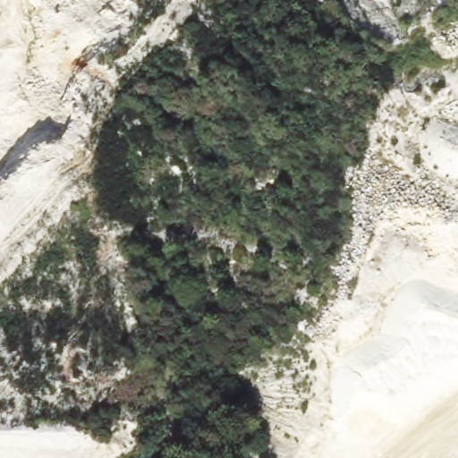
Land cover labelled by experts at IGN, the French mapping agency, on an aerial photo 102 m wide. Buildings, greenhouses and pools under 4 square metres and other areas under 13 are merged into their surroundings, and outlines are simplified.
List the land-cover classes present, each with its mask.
<instances>
[{"label":"pervious surface","instance_id":"1","mask_svg":"<svg viewBox=\"0 0 458 458\"><path fill-rule=\"evenodd\" d=\"M213 11L206 0H0V283L5 279L11 277L20 265L21 256L34 252L36 243L41 242L43 236L48 233V227L59 224L64 211L70 208L72 200H79L82 197L86 200L95 199V190L93 186H89L93 182V154L98 147L100 127L109 118V111L113 106L114 88L118 86V79L123 75L129 77L138 72V61H141L148 52H152L156 45H163L168 39L177 38V25L190 14L197 16L206 27H209L213 20L206 16ZM444 4V0H345L352 18L376 23L383 32L392 36V43L377 41V45L383 50L394 52L397 45L411 43L413 30L424 29L431 47L444 59L442 68L422 66L419 73L411 77L410 81L403 70L395 73L394 86L377 107L376 122L367 123L369 148L365 152L363 163L349 166L345 170L343 186L354 191L352 238L351 242L343 243L342 250L336 254L338 265L331 268L333 272L338 276V290L329 292L327 306L320 322L315 326L311 324L301 320L297 327L301 333L310 336V343L306 347L310 356L306 360L295 358L292 367L284 370L281 379H276V365H267L259 369L258 379L254 385L261 394L263 417L268 420L270 429V449L263 454L254 453L252 458H458V21L451 23V29L433 27V13L438 9V5ZM11 413L0 411V458H123L122 454L131 453L136 440L132 433L120 429L113 433L111 435V442L102 444L93 440L91 435H86L75 428L61 424H41L36 429L25 426L13 428Z\"/></svg>","mask_w":458,"mask_h":458},{"label":"brushwood","instance_id":"2","mask_svg":"<svg viewBox=\"0 0 458 458\"><path fill-rule=\"evenodd\" d=\"M213 11L206 16L213 20L209 27H206L197 16L190 14L177 25V38L168 39L163 45H156L152 52H148L141 61H138V72L129 77L123 75L118 79V86L114 88L113 106L109 111V118L100 127L98 147L93 154V182L89 186H93L95 190V199L97 215L100 218L107 222L118 220L122 225H131L132 233L129 234L132 242L152 252L154 258L163 252V245H179L195 240L197 236L200 229H216L218 225H231L238 227L243 233L256 236L258 247L254 243L247 247L236 243L234 259L250 258L252 268L240 272V277L234 283L231 292L220 288L218 293H211L209 290L202 301L208 313V317L202 322L204 327H208L206 351L211 358H216V365L222 370V374H240L254 385L258 379L259 369L267 365L261 354L272 351L277 343L290 342L297 327L301 320L311 324L315 317L313 306L318 302L317 297L313 295L333 272L331 268L338 265L336 254L342 250L343 243L351 242L352 238L354 191L343 186L345 170L349 166L363 163L365 152L369 148L367 123L376 122L377 107L394 86L395 73L403 70L410 81L411 77L419 73L422 66L442 68L444 59L431 47L424 29L413 30L411 43L397 45L394 52L383 50L377 45V41L392 43V36L383 32L376 23L352 18L345 0H206ZM138 426L132 433L136 440H147L148 444L156 447L168 435V429L174 426V419L166 411L165 399L157 397L156 401H152L136 419ZM122 408L120 403H107L106 399L95 401L86 411L79 408L59 410L55 411V417L61 420V424L75 428L79 424L84 426L89 422L98 424L100 431H107L111 435L113 433L111 426L116 420H120Z\"/></svg>","mask_w":458,"mask_h":458},{"label":"herbaceous vegetation","instance_id":"3","mask_svg":"<svg viewBox=\"0 0 458 458\"><path fill-rule=\"evenodd\" d=\"M433 27L451 29V23L458 21V0H444V4L438 5V9L433 13ZM106 225L114 229L122 225L118 220L107 222L100 218L97 215L95 199L86 200L82 197L79 200H72L70 208L64 211L59 224L48 227V233L43 236L41 242L36 243L34 252L21 256L20 265L11 277L5 279L11 290L9 295L13 299V308L0 311V329L4 331V345L7 351H16L20 354V361L14 363V370L20 376L18 385L14 388H18L20 394L38 392L39 388L47 390L48 386L52 385L47 381V374L63 370L55 356L63 352L66 338L72 329L81 331L79 343L81 347L91 351L88 370L93 374H114L118 370L114 367V361L122 360L118 356L120 349L127 347L129 351L136 352V340H141L145 345H152L172 342L175 336L181 335L179 329H175L174 326L165 327L157 320L145 322L138 317L134 320L131 302H134V299L123 286L127 261L113 268L109 267L98 258V236L91 234L95 229H102ZM64 261L79 263L82 286L79 290V299H72L70 288L61 283V274L66 268ZM21 297H27L29 301L61 299V306L50 311L23 310ZM222 238L234 240L236 243L247 247L254 243L258 247L256 236L243 233L238 227L231 225H218L216 229ZM338 290V276L333 272L313 295L317 297L318 302L313 306L315 317L311 324L315 326L320 322L327 306L329 292ZM310 343V336L301 333L297 327L290 342L277 343L272 351L261 354L267 365H276V379H281L284 370L292 367L295 358L306 360L310 356L306 347ZM156 361L152 358H141L131 370H127V376L114 381L113 386H107L106 399L107 403H120L122 408H129L132 417L136 419L152 401H156L157 397L165 399L166 392L168 381L175 383L177 377L172 361H166L163 374L152 376V367ZM59 410L55 404L48 401L38 408H32V403H27L25 426L36 429L41 424H61V420L55 417V411ZM86 435H91L93 440L102 444L111 442V435L107 431H100L98 424L89 422L84 426L79 424L75 428Z\"/></svg>","mask_w":458,"mask_h":458},{"label":"deciduous trees","instance_id":"4","mask_svg":"<svg viewBox=\"0 0 458 458\"><path fill-rule=\"evenodd\" d=\"M118 250L127 261L123 286L134 299V302H131L134 320L138 317L145 322L157 320L165 327L174 326L175 329H179L181 335L175 336L172 342L152 345H145L141 340H136V352L129 351L127 347L120 349L118 356L122 360L125 361L127 370H131L141 358H152L156 361L152 367V376L163 374L166 361H172L177 377L191 376L200 369L208 370L213 377L222 374V370L216 365V358H211L206 351L208 327H204L202 322L208 317V313L202 301L209 290L211 286H218L220 279L231 276L229 259L225 258L222 247L213 245L208 238L197 236L195 240L179 245H163V252L154 258L152 252L132 242L129 234H122L116 238ZM209 386L204 383H197L190 390H184L179 394L166 392L165 399L166 411L174 419L181 415L182 411H193L197 415L209 404L216 403L220 397L215 394L206 397ZM270 449V429L267 433L256 435L252 444L242 447V454L247 458H252L254 453L263 454ZM156 451V447L148 444L147 440H136L131 453L122 454L123 458H147Z\"/></svg>","mask_w":458,"mask_h":458},{"label":"bare soil","instance_id":"5","mask_svg":"<svg viewBox=\"0 0 458 458\"><path fill-rule=\"evenodd\" d=\"M132 233L131 225H122L114 229L106 225L102 229H95L91 234L98 236V258L109 267L113 268L127 261L118 250L116 238L122 234H129ZM197 236L208 238L213 245L222 247L225 258L229 259L231 276L220 279L218 286H211L209 290L211 293H218L220 288L231 292L234 283L240 277V272L252 268L250 258L234 259L236 243L234 240L222 238L216 229H200ZM66 268L61 274V283L70 288L72 299H79V290L82 286L79 263L64 261ZM11 290L5 279L0 283V311L13 308V299L9 295ZM23 310L50 311L61 306V299L29 301L27 297H21ZM81 331L72 329L66 338L63 352L55 356L63 370L47 374V381L52 385L48 386L47 390L39 388L38 392L20 394L18 388H14L18 385L20 376L14 370V363L20 361V354L16 351H7L4 345V331L0 329V411L11 413L13 428L25 426L27 403H32V408H38L48 401L55 404L59 410L79 408L86 411L95 401L106 399L107 386H113L114 381L127 376V370L125 361L122 360L114 361V367L118 370L114 374H93L88 370L91 351L81 347L79 343ZM138 426L136 419L132 417L129 408H122L120 420H116L111 426L113 433L120 429L132 433Z\"/></svg>","mask_w":458,"mask_h":458},{"label":"coniferous trees","instance_id":"6","mask_svg":"<svg viewBox=\"0 0 458 458\"><path fill-rule=\"evenodd\" d=\"M197 383H204L209 386L206 397L215 394L220 397L216 403L209 404L197 415L193 411H182L181 415L174 419V426L168 429V435L156 447V451L147 458H247L242 454V447L252 444L256 435L267 433L270 429L268 420L263 417L261 394L254 385L240 374H222L213 377L208 370L200 369L191 376L177 377L175 383L168 381L166 392L179 394L184 390H190Z\"/></svg>","mask_w":458,"mask_h":458}]
</instances>
